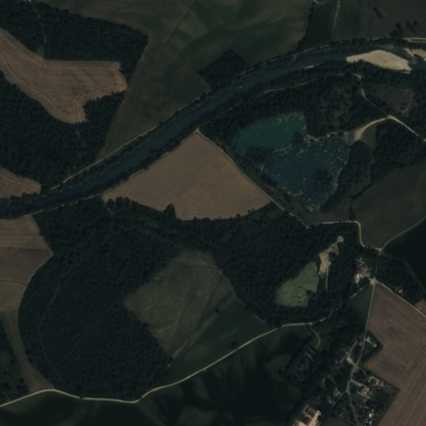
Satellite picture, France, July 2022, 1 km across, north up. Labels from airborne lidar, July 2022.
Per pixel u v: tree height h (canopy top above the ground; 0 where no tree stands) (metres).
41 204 0
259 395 0
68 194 0
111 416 0
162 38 0
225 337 0
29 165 18
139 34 15
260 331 0
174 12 0
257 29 0
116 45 6
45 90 0
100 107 7
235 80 16
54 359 7
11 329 0
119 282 6
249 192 0
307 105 13
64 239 19
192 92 0
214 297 0
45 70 0
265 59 0
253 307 13
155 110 0
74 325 7
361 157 18
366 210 0
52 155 9
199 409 0
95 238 8
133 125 0
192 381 0
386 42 15
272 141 0
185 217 0
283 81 15
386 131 13
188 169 0
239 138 0
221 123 7
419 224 0
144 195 0
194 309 0
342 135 13
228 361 0
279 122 0
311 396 20
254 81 0
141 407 0
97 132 15
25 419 0
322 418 13
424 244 0
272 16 0
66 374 6
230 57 5
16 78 0
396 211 0
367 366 0
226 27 0
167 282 0
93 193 14
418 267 0
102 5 0
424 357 0
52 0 0
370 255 19
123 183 0
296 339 0
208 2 0
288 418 11
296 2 0
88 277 8
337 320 13
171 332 0
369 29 0
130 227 15
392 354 0
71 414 0
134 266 15
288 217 11
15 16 24
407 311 0
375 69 10
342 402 13
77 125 14
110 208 18
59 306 6
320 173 16
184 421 0
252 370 0
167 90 0
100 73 0
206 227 14
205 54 0
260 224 11
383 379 0
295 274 7
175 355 0
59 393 0
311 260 11
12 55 0
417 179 0
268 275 8
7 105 14
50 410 0
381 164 12
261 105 18
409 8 0
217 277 0
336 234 7
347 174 16
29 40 11
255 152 10
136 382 16
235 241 6
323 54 0
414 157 10
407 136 17
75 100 0
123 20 0
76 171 9
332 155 0
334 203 14
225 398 0
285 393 0
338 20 0
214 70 6
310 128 11
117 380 8
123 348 12
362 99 8
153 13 0
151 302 0
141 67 0
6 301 0
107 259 7
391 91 0
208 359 0
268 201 0
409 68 0
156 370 6
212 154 0
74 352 6
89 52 19
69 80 0
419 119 11
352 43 13
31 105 9
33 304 6
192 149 0
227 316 0
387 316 0
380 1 0
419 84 8
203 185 0
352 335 20
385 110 10
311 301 9
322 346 0
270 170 0
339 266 13
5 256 0
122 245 8
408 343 0
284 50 0
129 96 0
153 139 0
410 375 0
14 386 0
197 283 0
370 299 0
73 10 0
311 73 15
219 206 0
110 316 9
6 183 0
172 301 0
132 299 0
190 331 0
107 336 7
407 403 0
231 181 0
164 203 0
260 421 0
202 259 0
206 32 0
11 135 14
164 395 0
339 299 20
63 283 14
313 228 15
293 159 0
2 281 0
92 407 0
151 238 11
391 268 15
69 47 11
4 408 0
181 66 0
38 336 6
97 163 0
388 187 0
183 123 0
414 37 0
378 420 0
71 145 16
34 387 0
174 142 13
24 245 0
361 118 14
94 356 10
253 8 0
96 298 7
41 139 7
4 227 0
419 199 0
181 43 0
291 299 0
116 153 0
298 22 0
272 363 0
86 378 13
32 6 16
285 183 0
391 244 0
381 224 0
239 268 12
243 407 0
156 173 0
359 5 0
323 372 23
